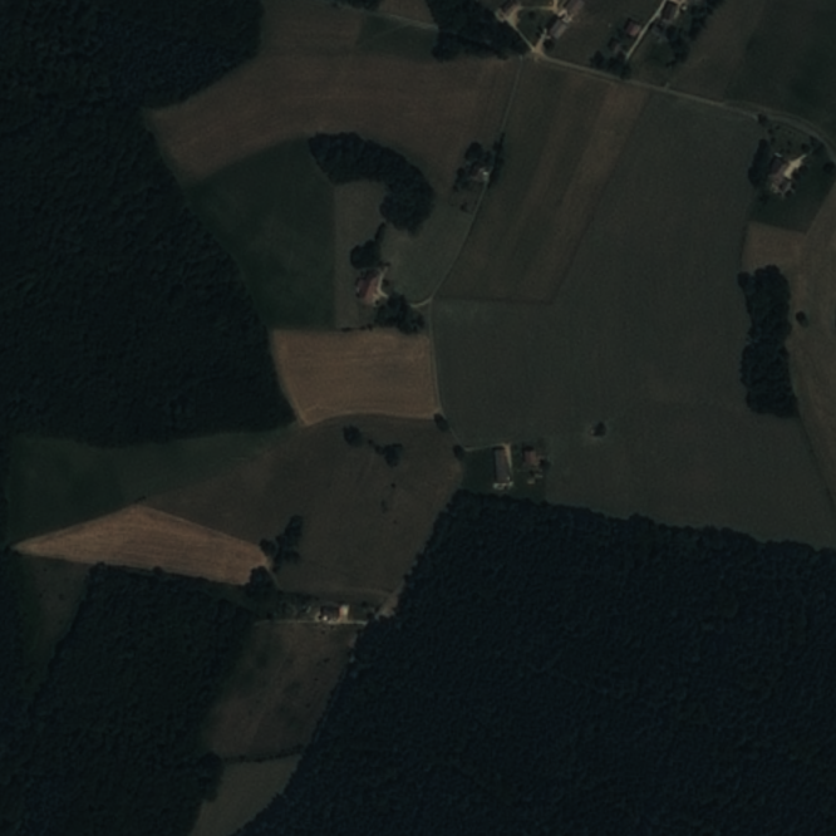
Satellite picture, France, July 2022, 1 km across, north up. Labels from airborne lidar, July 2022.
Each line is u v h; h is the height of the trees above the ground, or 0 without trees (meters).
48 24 13
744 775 30
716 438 0
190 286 14
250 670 0
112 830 25
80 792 26
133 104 14
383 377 0
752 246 0
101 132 23
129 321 16
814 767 28
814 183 0
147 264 24
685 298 0
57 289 24
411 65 0
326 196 0
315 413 0
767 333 21
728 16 0
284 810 20
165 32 19
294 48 0
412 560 0
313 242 0
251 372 15
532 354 0
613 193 0
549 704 24
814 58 0
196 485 0
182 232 19
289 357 0
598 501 0
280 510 0
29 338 18
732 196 0
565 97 0
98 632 19
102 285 14
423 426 0
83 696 22
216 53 22
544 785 27
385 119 0
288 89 0
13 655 18
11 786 27
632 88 0
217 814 0
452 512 16
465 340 0
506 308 0
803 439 0
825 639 25
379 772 32
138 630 18
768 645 37
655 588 21
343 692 15
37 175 19
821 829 22
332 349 0
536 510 22
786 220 0
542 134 0
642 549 20
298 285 0
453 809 23
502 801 28
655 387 0
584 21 0
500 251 0
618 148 0
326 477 0
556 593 25
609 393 0
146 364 16
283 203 0
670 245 0
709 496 0
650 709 30
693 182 0
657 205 0
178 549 0
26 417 25
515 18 0
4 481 15
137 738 16
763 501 0
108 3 25
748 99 0
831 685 30
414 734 24
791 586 24
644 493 0
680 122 0
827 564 24
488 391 0
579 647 23
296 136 0
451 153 0
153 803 23
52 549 0
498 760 24
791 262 0
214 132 0
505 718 29
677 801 31
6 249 26
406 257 0
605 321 0
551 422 0
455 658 24
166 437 23
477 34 25
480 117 0
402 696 24
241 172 0
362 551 0
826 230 0
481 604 27
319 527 0
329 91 0
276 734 0
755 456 0
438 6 18
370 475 0
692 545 20
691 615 30
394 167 21
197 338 18
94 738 14
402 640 24
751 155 0
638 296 0
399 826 25
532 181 0
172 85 22
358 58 0
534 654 23
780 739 36
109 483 0
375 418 0
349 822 28
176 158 0
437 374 0
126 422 26
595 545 21
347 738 23
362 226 0
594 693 24
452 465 0
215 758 20
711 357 0
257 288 0
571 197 0
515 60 0
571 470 0
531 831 24
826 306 0
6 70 8
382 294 0
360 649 17
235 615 16
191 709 14
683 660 23
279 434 0
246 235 0
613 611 17
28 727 25
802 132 0
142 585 20
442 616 25
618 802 20
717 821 26
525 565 26
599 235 0
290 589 0
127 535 0
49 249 21
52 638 0
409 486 0
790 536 0
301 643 0
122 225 21
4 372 20
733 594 24
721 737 24
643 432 0
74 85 7
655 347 0
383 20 0
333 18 0
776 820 28
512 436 0
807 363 0
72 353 18
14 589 13
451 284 0
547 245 0
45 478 0
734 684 37
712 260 0
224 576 0
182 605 19
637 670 25
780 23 0
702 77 0
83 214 23
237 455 0
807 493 0
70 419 21
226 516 0
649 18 0
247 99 0
